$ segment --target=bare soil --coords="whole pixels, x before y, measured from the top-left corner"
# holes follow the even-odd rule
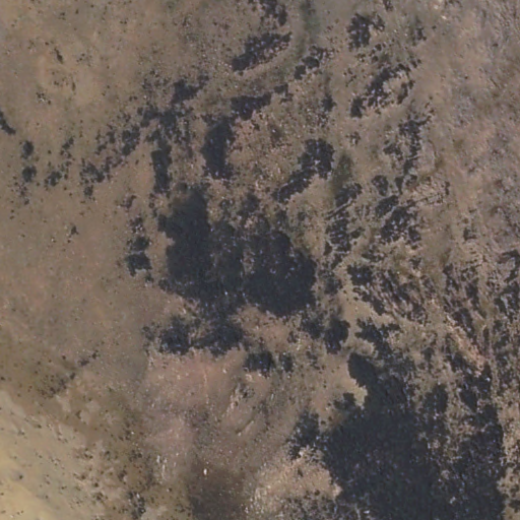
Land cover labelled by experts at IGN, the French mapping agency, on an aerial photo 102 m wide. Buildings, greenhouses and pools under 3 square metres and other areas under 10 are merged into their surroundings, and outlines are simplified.
[[[309,246],[311,256],[315,260],[315,301],[309,303],[305,309],[299,309],[295,315],[284,317],[264,313],[256,305],[238,309],[238,313],[234,315],[234,323],[244,329],[244,335],[240,337],[240,343],[236,347],[225,351],[225,355],[211,355],[209,349],[189,349],[183,355],[158,351],[163,333],[167,329],[173,329],[171,317],[185,317],[185,299],[195,299],[191,295],[193,280],[189,276],[169,274],[167,248],[173,246],[173,240],[158,230],[158,219],[163,215],[173,215],[175,211],[179,211],[191,199],[193,189],[197,189],[199,195],[207,201],[207,213],[211,219],[228,221],[232,228],[254,228],[258,223],[260,213],[266,213],[270,230],[282,232],[290,238],[288,258],[297,258],[297,252]],[[347,321],[347,337],[341,341],[337,353],[329,353],[325,337],[331,321],[337,319]],[[264,351],[272,353],[272,368],[264,374],[250,372],[244,360],[248,355]],[[500,461],[506,463],[506,475],[498,481],[498,490],[504,494],[504,520],[520,520],[520,0],[0,0],[0,520],[374,520],[376,516],[372,514],[368,494],[360,496],[355,502],[343,500],[339,496],[341,488],[335,481],[331,481],[331,475],[323,465],[323,457],[327,455],[331,443],[331,429],[337,429],[343,425],[345,418],[351,418],[355,410],[364,406],[368,394],[368,390],[360,386],[358,380],[349,374],[349,358],[355,353],[366,355],[370,364],[376,366],[374,376],[378,382],[396,378],[404,384],[414,384],[414,412],[423,408],[425,396],[433,390],[433,386],[443,384],[447,390],[445,425],[447,431],[455,435],[473,435],[473,425],[461,425],[453,418],[453,414],[469,414],[469,408],[461,400],[461,388],[457,384],[457,380],[463,380],[463,376],[461,370],[451,368],[453,358],[463,353],[465,360],[473,362],[475,376],[481,376],[483,366],[492,370],[492,402],[498,406],[498,418],[504,431],[504,455],[500,457]]]

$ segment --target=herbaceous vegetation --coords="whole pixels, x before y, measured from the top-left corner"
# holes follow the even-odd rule
[[[347,321],[337,319],[331,321],[325,337],[329,353],[337,353],[341,341],[347,337]]]
[[[355,502],[360,496],[368,494],[372,514],[376,516],[374,520],[504,520],[504,494],[498,490],[498,481],[506,475],[506,463],[500,461],[500,457],[504,455],[504,431],[498,418],[498,406],[492,402],[492,370],[483,366],[481,376],[475,376],[473,362],[465,360],[463,353],[453,358],[451,368],[461,370],[463,376],[463,380],[457,380],[457,384],[461,388],[461,400],[469,408],[469,414],[453,414],[453,418],[461,425],[473,425],[473,435],[455,435],[447,431],[445,425],[447,390],[443,384],[433,386],[433,390],[425,396],[423,408],[414,412],[414,384],[404,384],[396,378],[378,382],[374,376],[376,366],[370,364],[366,355],[355,353],[349,358],[349,374],[358,380],[360,386],[368,390],[368,394],[364,406],[355,410],[351,418],[345,418],[343,425],[337,429],[331,429],[331,443],[327,455],[323,457],[323,465],[331,475],[331,481],[335,481],[341,488],[339,496],[343,500]]]
[[[254,228],[232,228],[228,221],[211,219],[207,213],[207,201],[199,195],[197,189],[193,189],[191,199],[179,211],[175,211],[173,215],[163,215],[158,219],[158,230],[173,240],[173,246],[167,248],[169,274],[189,276],[193,280],[191,295],[195,299],[185,299],[185,317],[171,317],[173,329],[167,329],[163,333],[158,351],[183,355],[189,349],[209,349],[211,355],[225,355],[225,351],[236,347],[240,343],[240,337],[244,335],[244,329],[234,323],[234,315],[238,313],[238,309],[256,305],[264,313],[284,317],[295,315],[299,309],[305,309],[309,303],[315,301],[315,260],[311,256],[309,246],[297,252],[297,258],[288,258],[290,238],[282,232],[270,230],[266,213],[260,213],[258,223]]]
[[[272,353],[264,351],[248,355],[244,360],[250,372],[264,374],[272,368]]]

